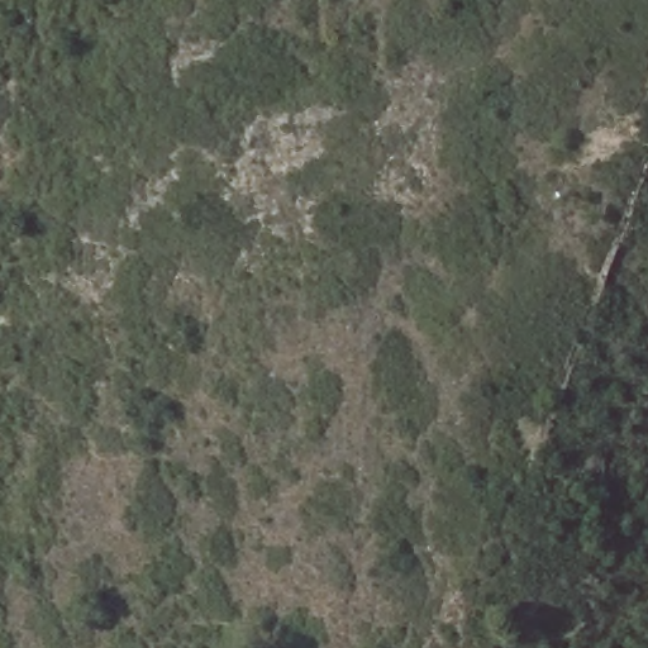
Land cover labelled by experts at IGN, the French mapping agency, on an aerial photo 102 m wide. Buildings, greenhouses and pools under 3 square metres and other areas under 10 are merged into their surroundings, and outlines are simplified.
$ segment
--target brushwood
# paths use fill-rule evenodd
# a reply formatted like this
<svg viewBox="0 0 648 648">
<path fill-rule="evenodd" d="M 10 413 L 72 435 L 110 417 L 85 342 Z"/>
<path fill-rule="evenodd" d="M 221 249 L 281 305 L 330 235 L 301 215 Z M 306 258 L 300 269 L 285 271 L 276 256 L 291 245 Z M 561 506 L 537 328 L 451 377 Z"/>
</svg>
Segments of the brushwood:
<svg viewBox="0 0 648 648">
<path fill-rule="evenodd" d="M 359 524 L 357 514 L 365 494 L 357 489 L 354 466 L 342 463 L 342 476 L 337 481 L 319 481 L 314 494 L 299 506 L 301 524 L 309 539 L 327 534 L 327 529 L 354 532 Z"/>
<path fill-rule="evenodd" d="M 347 552 L 334 544 L 332 557 L 342 562 L 344 575 L 334 587 L 354 592 L 354 567 Z"/>
<path fill-rule="evenodd" d="M 370 392 L 382 413 L 395 413 L 400 435 L 410 438 L 420 435 L 430 420 L 438 418 L 438 385 L 428 380 L 420 357 L 413 354 L 410 337 L 400 329 L 390 329 L 387 334 L 375 334 L 377 357 L 370 367 Z"/>
<path fill-rule="evenodd" d="M 440 620 L 440 602 L 430 597 L 425 570 L 413 549 L 415 544 L 425 544 L 420 509 L 408 506 L 408 494 L 418 489 L 420 471 L 410 461 L 390 461 L 382 468 L 385 489 L 372 511 L 375 532 L 380 534 L 380 539 L 377 562 L 370 567 L 370 577 L 372 587 L 392 602 L 395 628 L 359 623 L 359 648 L 506 648 L 509 640 L 516 635 L 509 633 L 506 613 L 499 605 L 486 602 L 486 592 L 504 595 L 511 587 L 521 587 L 521 564 L 532 557 L 532 549 L 554 544 L 564 519 L 580 524 L 580 544 L 587 554 L 592 554 L 600 547 L 600 506 L 587 499 L 585 489 L 575 478 L 564 473 L 557 453 L 544 453 L 539 448 L 537 463 L 529 461 L 529 448 L 519 430 L 519 420 L 524 418 L 534 423 L 537 415 L 554 400 L 547 385 L 547 352 L 562 352 L 577 339 L 580 332 L 595 332 L 597 304 L 592 301 L 595 281 L 580 273 L 575 258 L 567 258 L 564 253 L 549 248 L 552 213 L 544 213 L 534 203 L 537 180 L 519 170 L 511 147 L 516 144 L 516 134 L 529 134 L 532 139 L 547 144 L 552 159 L 564 165 L 577 159 L 582 154 L 582 147 L 587 144 L 587 137 L 580 132 L 580 101 L 597 76 L 608 78 L 605 101 L 610 101 L 620 114 L 640 114 L 643 119 L 648 116 L 648 0 L 390 0 L 385 18 L 387 66 L 392 68 L 392 76 L 400 76 L 400 68 L 405 63 L 425 58 L 430 61 L 433 71 L 446 76 L 446 84 L 451 86 L 451 99 L 448 109 L 440 111 L 438 124 L 438 162 L 453 177 L 453 182 L 468 185 L 466 195 L 456 195 L 453 200 L 443 203 L 443 210 L 438 215 L 415 220 L 402 218 L 400 203 L 375 197 L 375 185 L 380 182 L 380 175 L 385 170 L 387 152 L 377 149 L 382 139 L 375 134 L 375 119 L 385 114 L 390 99 L 382 81 L 372 78 L 372 71 L 377 66 L 375 15 L 367 13 L 357 18 L 352 25 L 347 25 L 347 30 L 334 33 L 334 46 L 324 46 L 321 38 L 301 41 L 289 30 L 253 25 L 253 18 L 258 15 L 263 0 L 0 0 L 0 132 L 10 137 L 13 149 L 25 152 L 25 159 L 13 167 L 10 187 L 0 192 L 0 648 L 321 648 L 329 643 L 329 633 L 321 618 L 311 618 L 306 608 L 294 608 L 291 615 L 278 618 L 276 610 L 268 605 L 240 605 L 233 600 L 230 587 L 220 575 L 225 567 L 238 564 L 238 549 L 246 539 L 246 532 L 230 529 L 238 506 L 248 504 L 253 496 L 268 499 L 278 491 L 278 486 L 261 471 L 261 466 L 256 466 L 248 458 L 243 440 L 223 428 L 215 430 L 220 438 L 220 456 L 213 458 L 210 473 L 195 473 L 182 461 L 159 461 L 159 451 L 165 446 L 162 428 L 172 420 L 182 420 L 182 402 L 195 390 L 203 390 L 243 410 L 240 423 L 256 435 L 268 430 L 289 430 L 296 423 L 294 408 L 299 402 L 301 408 L 306 408 L 309 418 L 304 435 L 311 443 L 324 443 L 327 430 L 334 423 L 334 415 L 342 405 L 342 377 L 327 370 L 319 354 L 309 354 L 304 357 L 304 367 L 309 375 L 306 382 L 278 380 L 268 375 L 268 365 L 261 362 L 261 354 L 266 354 L 268 349 L 276 352 L 276 337 L 284 334 L 284 324 L 291 324 L 294 319 L 321 321 L 329 311 L 354 304 L 362 296 L 372 296 L 377 289 L 380 268 L 385 263 L 400 261 L 402 246 L 433 253 L 443 266 L 435 273 L 425 266 L 408 266 L 402 271 L 402 289 L 392 296 L 390 309 L 405 319 L 415 319 L 418 329 L 425 332 L 433 342 L 430 352 L 448 375 L 468 375 L 473 380 L 468 392 L 461 395 L 466 423 L 451 425 L 446 433 L 438 433 L 435 440 L 425 443 L 423 451 L 428 461 L 443 463 L 443 471 L 433 476 L 438 506 L 430 514 L 430 529 L 435 547 L 443 554 L 448 554 L 453 559 L 453 567 L 458 570 L 461 595 L 466 602 L 466 628 L 456 630 L 453 625 Z M 511 51 L 506 61 L 499 61 L 496 46 L 501 46 L 506 38 L 516 38 L 519 20 L 527 13 L 542 13 L 544 20 L 552 25 L 552 33 L 544 35 L 542 30 L 532 30 L 532 35 L 524 38 L 521 46 Z M 200 41 L 223 41 L 223 48 L 218 48 L 210 61 L 190 63 L 187 68 L 182 68 L 180 84 L 175 86 L 172 58 L 177 53 L 177 46 Z M 301 238 L 289 238 L 284 225 L 273 225 L 271 233 L 266 233 L 258 228 L 258 220 L 243 223 L 240 218 L 235 218 L 233 208 L 223 200 L 225 182 L 215 177 L 213 162 L 205 162 L 197 152 L 187 152 L 180 159 L 170 159 L 175 144 L 195 142 L 218 152 L 220 157 L 225 157 L 225 162 L 235 162 L 243 154 L 243 132 L 256 119 L 256 114 L 286 114 L 286 134 L 311 132 L 324 144 L 321 157 L 309 159 L 304 167 L 286 172 L 289 197 L 311 197 L 316 203 L 314 225 L 301 225 Z M 132 195 L 137 192 L 147 197 L 147 182 L 159 180 L 170 170 L 177 170 L 180 180 L 167 187 L 165 200 L 159 205 L 139 215 L 139 225 L 134 230 L 129 225 Z M 127 256 L 127 261 L 116 271 L 114 286 L 99 301 L 81 301 L 78 294 L 66 289 L 68 266 L 73 266 L 78 276 L 91 276 L 96 271 L 109 273 L 109 261 L 96 258 L 96 251 L 89 243 L 81 246 L 78 235 L 84 233 L 106 240 L 106 253 L 111 253 L 111 258 L 119 258 L 116 246 L 132 248 L 132 256 Z M 35 554 L 35 547 L 51 549 L 58 537 L 56 516 L 63 506 L 63 461 L 81 458 L 89 451 L 86 443 L 96 440 L 99 453 L 137 453 L 144 463 L 137 478 L 137 496 L 124 509 L 124 524 L 129 532 L 142 534 L 149 564 L 137 575 L 116 575 L 109 564 L 104 564 L 101 554 L 94 554 L 78 564 L 76 572 L 81 577 L 84 592 L 99 595 L 101 590 L 116 590 L 127 600 L 129 615 L 122 618 L 111 630 L 94 630 L 76 615 L 78 597 L 71 597 L 71 602 L 63 608 L 56 608 L 53 585 L 58 580 L 58 572 L 48 562 L 41 564 Z"/>
<path fill-rule="evenodd" d="M 585 187 L 570 190 L 564 195 L 554 190 L 552 195 L 557 200 L 562 197 L 564 203 L 595 205 L 602 195 Z"/>
<path fill-rule="evenodd" d="M 258 552 L 266 559 L 268 570 L 276 572 L 291 564 L 291 547 L 271 547 L 266 542 L 258 542 L 253 552 Z"/>
<path fill-rule="evenodd" d="M 600 235 L 582 233 L 582 243 L 590 253 L 590 266 L 597 271 L 605 261 L 610 243 L 618 248 L 633 228 L 633 218 L 620 215 L 620 223 L 605 223 L 605 230 Z"/>
<path fill-rule="evenodd" d="M 613 157 L 600 159 L 590 167 L 597 182 L 613 190 L 613 208 L 625 213 L 628 197 L 635 197 L 638 203 L 648 203 L 648 129 L 643 129 L 633 142 L 620 144 L 620 149 Z"/>
</svg>

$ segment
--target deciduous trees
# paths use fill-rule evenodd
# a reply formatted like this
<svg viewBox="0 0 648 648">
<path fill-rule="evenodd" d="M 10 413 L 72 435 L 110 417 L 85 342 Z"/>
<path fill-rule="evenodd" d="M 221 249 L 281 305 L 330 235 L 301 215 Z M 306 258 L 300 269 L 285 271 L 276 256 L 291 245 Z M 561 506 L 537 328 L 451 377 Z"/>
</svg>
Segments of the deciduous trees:
<svg viewBox="0 0 648 648">
<path fill-rule="evenodd" d="M 122 618 L 129 615 L 127 600 L 116 590 L 101 590 L 99 595 L 84 592 L 78 597 L 76 615 L 94 630 L 111 630 Z"/>
<path fill-rule="evenodd" d="M 509 633 L 516 635 L 509 640 L 506 648 L 648 648 L 648 203 L 638 203 L 633 218 L 633 228 L 618 248 L 610 273 L 605 278 L 602 299 L 597 304 L 595 332 L 580 332 L 577 339 L 562 352 L 547 352 L 547 385 L 554 400 L 537 415 L 534 423 L 547 435 L 547 440 L 539 448 L 544 453 L 557 453 L 564 473 L 575 478 L 585 489 L 587 499 L 600 506 L 600 547 L 592 554 L 587 554 L 580 544 L 580 524 L 564 519 L 554 544 L 532 549 L 532 557 L 521 564 L 521 587 L 511 587 L 504 595 L 486 592 L 486 602 L 499 605 L 506 613 Z"/>
</svg>

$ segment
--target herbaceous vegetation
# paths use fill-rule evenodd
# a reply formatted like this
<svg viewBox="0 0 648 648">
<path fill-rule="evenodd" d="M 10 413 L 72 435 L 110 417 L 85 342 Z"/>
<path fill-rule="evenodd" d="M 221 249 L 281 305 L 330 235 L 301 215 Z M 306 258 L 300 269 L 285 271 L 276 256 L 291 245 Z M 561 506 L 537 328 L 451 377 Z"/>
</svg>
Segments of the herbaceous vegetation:
<svg viewBox="0 0 648 648">
<path fill-rule="evenodd" d="M 109 261 L 109 273 L 96 271 L 91 276 L 78 276 L 73 266 L 68 266 L 66 289 L 78 294 L 81 301 L 99 301 L 114 286 L 116 271 L 127 261 L 127 256 L 132 256 L 132 248 L 116 246 L 119 258 L 111 258 L 111 253 L 106 253 L 106 240 L 84 233 L 78 235 L 81 246 L 89 243 L 96 251 L 96 258 Z"/>
<path fill-rule="evenodd" d="M 132 195 L 129 225 L 134 230 L 139 225 L 139 215 L 159 205 L 165 200 L 167 187 L 180 180 L 177 170 L 170 170 L 159 180 L 147 182 L 147 197 L 137 192 Z"/>
<path fill-rule="evenodd" d="M 425 266 L 435 273 L 443 266 L 433 253 L 402 246 L 400 261 L 385 263 L 380 268 L 377 289 L 372 296 L 362 296 L 354 304 L 329 311 L 321 321 L 294 319 L 291 324 L 284 324 L 284 334 L 276 337 L 276 352 L 268 349 L 266 354 L 261 354 L 261 362 L 268 365 L 268 375 L 278 380 L 306 382 L 309 375 L 304 367 L 304 357 L 309 354 L 319 354 L 327 370 L 342 377 L 342 405 L 334 415 L 334 423 L 327 430 L 324 443 L 311 443 L 304 435 L 309 418 L 306 408 L 301 408 L 299 402 L 294 408 L 296 423 L 289 430 L 268 430 L 256 435 L 240 423 L 243 410 L 203 390 L 195 390 L 182 402 L 182 420 L 172 420 L 162 428 L 165 446 L 159 451 L 159 461 L 182 461 L 195 473 L 210 473 L 213 458 L 220 456 L 220 438 L 215 430 L 223 428 L 243 440 L 248 458 L 256 466 L 261 466 L 261 471 L 278 486 L 278 491 L 268 499 L 253 496 L 248 504 L 238 506 L 230 529 L 246 532 L 246 539 L 238 549 L 238 564 L 225 567 L 220 575 L 230 587 L 233 600 L 240 605 L 268 605 L 276 610 L 278 618 L 291 615 L 294 608 L 306 608 L 311 618 L 321 618 L 329 633 L 329 643 L 321 648 L 359 648 L 359 623 L 395 628 L 392 602 L 372 587 L 370 577 L 370 567 L 377 562 L 380 539 L 380 534 L 375 532 L 372 511 L 385 489 L 382 468 L 390 461 L 410 461 L 420 471 L 418 489 L 408 494 L 408 506 L 420 509 L 425 544 L 415 544 L 413 549 L 425 570 L 430 597 L 440 602 L 440 620 L 453 625 L 456 630 L 466 628 L 466 602 L 461 595 L 458 570 L 453 567 L 453 559 L 448 554 L 443 554 L 435 547 L 430 529 L 430 514 L 438 506 L 433 476 L 443 471 L 443 463 L 428 461 L 423 451 L 425 443 L 435 440 L 438 433 L 446 433 L 451 425 L 466 423 L 461 395 L 468 392 L 473 380 L 468 375 L 448 375 L 430 352 L 433 342 L 425 332 L 418 329 L 415 319 L 405 319 L 390 309 L 392 296 L 402 289 L 402 271 L 408 266 Z M 420 435 L 410 438 L 400 435 L 395 413 L 382 413 L 370 392 L 370 367 L 377 357 L 375 334 L 387 334 L 390 329 L 400 329 L 410 337 L 413 354 L 420 357 L 428 380 L 438 385 L 438 418 L 430 420 Z M 357 514 L 359 524 L 354 532 L 327 529 L 327 534 L 309 539 L 301 524 L 299 506 L 314 494 L 319 481 L 337 481 L 342 476 L 342 463 L 354 466 L 357 489 L 365 494 Z M 291 547 L 291 564 L 276 572 L 268 570 L 266 559 L 258 552 L 253 552 L 258 542 L 266 542 L 271 547 Z M 354 567 L 354 592 L 334 587 L 344 575 L 342 562 L 332 557 L 334 544 L 347 552 Z"/>
<path fill-rule="evenodd" d="M 544 35 L 552 33 L 552 25 L 544 20 L 542 13 L 527 13 L 519 20 L 516 38 L 506 38 L 501 46 L 496 46 L 499 61 L 506 61 L 511 51 L 521 46 L 524 38 L 532 35 L 532 30 L 542 30 Z"/>
<path fill-rule="evenodd" d="M 638 203 L 635 197 L 628 197 L 625 213 L 613 208 L 613 190 L 597 182 L 590 167 L 600 159 L 613 157 L 620 149 L 620 144 L 633 142 L 643 129 L 648 129 L 648 116 L 643 119 L 640 114 L 620 114 L 610 101 L 605 101 L 608 78 L 597 76 L 580 101 L 580 132 L 587 137 L 587 144 L 582 147 L 582 154 L 577 159 L 564 165 L 552 159 L 547 144 L 532 139 L 529 134 L 516 134 L 516 144 L 511 147 L 519 170 L 537 180 L 534 203 L 544 213 L 552 213 L 549 248 L 564 253 L 567 258 L 575 258 L 580 273 L 595 281 L 592 301 L 597 304 L 602 299 L 605 278 L 610 273 L 618 248 L 610 243 L 605 261 L 597 271 L 590 266 L 590 253 L 582 243 L 582 233 L 600 235 L 605 230 L 605 223 L 620 223 L 620 215 L 633 218 Z M 557 200 L 552 195 L 554 190 L 564 195 L 570 190 L 585 187 L 602 195 L 595 205 L 564 203 L 562 197 Z"/>
<path fill-rule="evenodd" d="M 172 58 L 175 86 L 180 84 L 182 68 L 187 68 L 190 63 L 210 61 L 218 48 L 223 48 L 223 41 L 200 41 L 177 46 L 177 53 Z"/>
<path fill-rule="evenodd" d="M 25 152 L 13 149 L 10 137 L 0 132 L 0 192 L 10 187 L 13 167 L 25 159 Z"/>
<path fill-rule="evenodd" d="M 451 99 L 451 86 L 446 84 L 446 76 L 433 71 L 430 61 L 425 58 L 405 63 L 400 68 L 400 76 L 392 76 L 392 68 L 387 66 L 385 18 L 390 0 L 263 0 L 258 15 L 253 18 L 253 25 L 289 30 L 301 41 L 321 38 L 324 46 L 334 46 L 334 33 L 347 30 L 347 25 L 352 25 L 357 18 L 367 13 L 375 15 L 377 66 L 372 71 L 372 78 L 382 81 L 390 99 L 385 114 L 375 119 L 375 134 L 382 139 L 377 149 L 387 152 L 385 170 L 380 175 L 380 182 L 375 185 L 375 197 L 400 203 L 402 218 L 415 220 L 438 215 L 443 210 L 443 203 L 453 200 L 456 195 L 466 195 L 468 185 L 453 182 L 453 177 L 438 162 L 438 124 L 440 111 L 448 109 Z"/>
<path fill-rule="evenodd" d="M 539 448 L 547 440 L 547 435 L 534 423 L 524 418 L 519 420 L 519 430 L 529 448 L 529 461 L 537 463 Z"/>
<path fill-rule="evenodd" d="M 243 132 L 243 154 L 235 162 L 225 162 L 225 157 L 220 157 L 218 152 L 195 142 L 175 144 L 170 159 L 180 159 L 187 152 L 197 152 L 205 162 L 213 162 L 215 177 L 225 182 L 223 200 L 233 208 L 235 218 L 240 218 L 243 223 L 258 220 L 258 228 L 266 233 L 271 233 L 273 225 L 284 225 L 289 238 L 301 238 L 301 225 L 314 225 L 316 203 L 311 197 L 289 197 L 286 172 L 304 167 L 309 159 L 321 157 L 324 144 L 311 132 L 286 134 L 286 114 L 256 114 L 256 119 Z"/>
<path fill-rule="evenodd" d="M 63 608 L 71 602 L 71 597 L 78 597 L 84 592 L 81 577 L 76 572 L 78 564 L 94 554 L 101 554 L 104 564 L 109 564 L 116 575 L 137 575 L 149 564 L 142 534 L 129 532 L 124 524 L 124 509 L 137 496 L 137 478 L 144 463 L 137 453 L 99 453 L 96 440 L 86 443 L 89 451 L 81 458 L 63 461 L 63 506 L 56 516 L 58 537 L 51 549 L 35 547 L 35 554 L 41 564 L 48 562 L 58 572 L 58 580 L 53 585 L 56 608 Z"/>
</svg>

